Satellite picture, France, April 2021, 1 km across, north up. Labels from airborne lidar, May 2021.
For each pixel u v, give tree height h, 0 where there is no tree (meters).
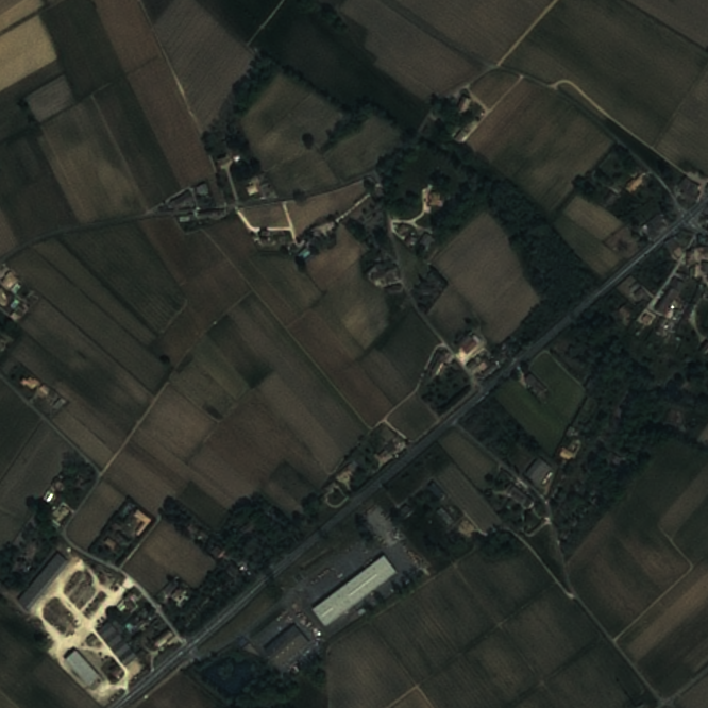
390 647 0
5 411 0
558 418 0
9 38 0
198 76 0
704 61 0
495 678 0
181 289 0
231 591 10
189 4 0
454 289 0
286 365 0
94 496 0
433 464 0
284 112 0
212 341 0
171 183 0
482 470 0
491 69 0
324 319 0
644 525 0
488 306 0
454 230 13
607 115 0
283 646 0
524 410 0
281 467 0
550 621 0
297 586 0
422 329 0
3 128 0
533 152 0
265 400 0
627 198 0
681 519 0
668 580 0
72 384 0
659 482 0
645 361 9
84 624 0
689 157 0
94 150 0
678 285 0
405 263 0
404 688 0
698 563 0
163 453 0
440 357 0
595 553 0
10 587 13
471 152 22
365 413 0
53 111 0
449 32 0
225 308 0
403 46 0
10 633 0
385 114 17
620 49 0
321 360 0
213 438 0
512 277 0
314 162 0
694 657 0
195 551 0
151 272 0
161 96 0
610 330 11
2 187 0
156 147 0
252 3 0
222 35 0
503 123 0
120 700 0
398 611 0
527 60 0
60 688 0
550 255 17
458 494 0
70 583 0
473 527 0
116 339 0
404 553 0
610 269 0
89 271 0
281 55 0
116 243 0
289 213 0
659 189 10
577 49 0
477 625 0
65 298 0
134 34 0
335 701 0
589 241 0
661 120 0
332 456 0
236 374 0
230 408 0
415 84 0
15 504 0
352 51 0
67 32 0
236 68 0
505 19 0
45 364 0
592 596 0
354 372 0
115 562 8
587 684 0
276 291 0
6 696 0
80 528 0
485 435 6
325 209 0
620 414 0
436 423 0
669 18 0
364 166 0
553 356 8
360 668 0
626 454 8
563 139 0
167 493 0
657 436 16
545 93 0
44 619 0
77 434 0
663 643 0
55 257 0
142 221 0
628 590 0
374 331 0
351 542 0
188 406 0
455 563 0
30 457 0
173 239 0
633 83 0
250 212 0
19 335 0
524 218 13
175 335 0
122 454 0
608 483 19
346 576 0
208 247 0
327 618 0
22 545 9
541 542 0
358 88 0
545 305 9
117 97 0
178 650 0
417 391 0
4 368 0
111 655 0
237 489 0
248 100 17
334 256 0
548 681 0
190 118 0
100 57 0
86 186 0
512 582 0
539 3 0
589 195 18
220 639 0
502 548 16
